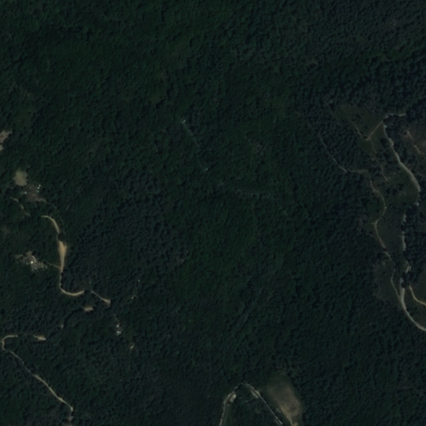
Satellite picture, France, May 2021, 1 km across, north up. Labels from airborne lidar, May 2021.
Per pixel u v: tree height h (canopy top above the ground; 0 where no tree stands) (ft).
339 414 37
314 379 57
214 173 84
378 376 36
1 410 51
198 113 101
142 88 45
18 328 35
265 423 58
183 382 56
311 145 64
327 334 62
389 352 35
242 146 70
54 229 28
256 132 35
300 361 40
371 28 84
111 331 25
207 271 63
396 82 150
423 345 68
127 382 40
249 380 76
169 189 68
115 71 56
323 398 42
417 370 49
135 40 86
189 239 54
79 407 30
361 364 49
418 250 63
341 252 72
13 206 66
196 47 68
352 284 65
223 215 65
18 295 25
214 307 85
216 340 54
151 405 51
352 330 60
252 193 41
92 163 37
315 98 102
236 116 60
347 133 80
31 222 27
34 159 39
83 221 25
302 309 88
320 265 31
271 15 47
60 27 37
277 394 0
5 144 28
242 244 87
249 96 56
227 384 54
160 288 45
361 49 37
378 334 44
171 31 54
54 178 35
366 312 71
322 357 35
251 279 26
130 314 51
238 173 73
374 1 73
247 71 82
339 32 47
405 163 72
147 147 44
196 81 63
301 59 64
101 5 62
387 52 69
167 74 67
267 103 36
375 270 101
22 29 83
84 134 62
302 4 81
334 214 88
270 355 26
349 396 48
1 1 56
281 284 71
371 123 0
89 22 58
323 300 80
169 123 81
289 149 67
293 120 27
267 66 36
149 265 56
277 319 53
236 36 65
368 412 54
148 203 121
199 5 40
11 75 53
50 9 74
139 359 43
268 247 72
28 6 24
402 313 28
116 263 35
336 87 64
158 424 71
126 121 103
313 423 47
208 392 62
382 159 100
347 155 62
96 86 94
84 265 53
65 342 52
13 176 52
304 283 88
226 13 65
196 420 28
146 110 81
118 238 30
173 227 36
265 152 50
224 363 59
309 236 59
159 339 70
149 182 100
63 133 36
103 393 89
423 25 55
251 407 52
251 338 52
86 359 19
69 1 51
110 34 66
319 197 40
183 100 111
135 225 120
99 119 65
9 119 57
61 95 77
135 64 38
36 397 49
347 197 81
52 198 27
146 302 28
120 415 73
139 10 68
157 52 83
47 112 80
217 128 39
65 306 61
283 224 57
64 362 51
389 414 43
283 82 75
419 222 75
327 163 31
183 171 33
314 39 69
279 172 34
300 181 53
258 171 75
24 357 91
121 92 62
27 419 87
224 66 60
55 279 28
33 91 55
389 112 63
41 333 92
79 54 68
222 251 62
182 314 59
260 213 85
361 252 72
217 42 75
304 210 57
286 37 81
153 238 89
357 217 80
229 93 85
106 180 22
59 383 50
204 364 40
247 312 62
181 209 80
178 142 60
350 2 77
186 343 57
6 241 25
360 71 57
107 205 74
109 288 47
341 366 74
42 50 76
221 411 21
